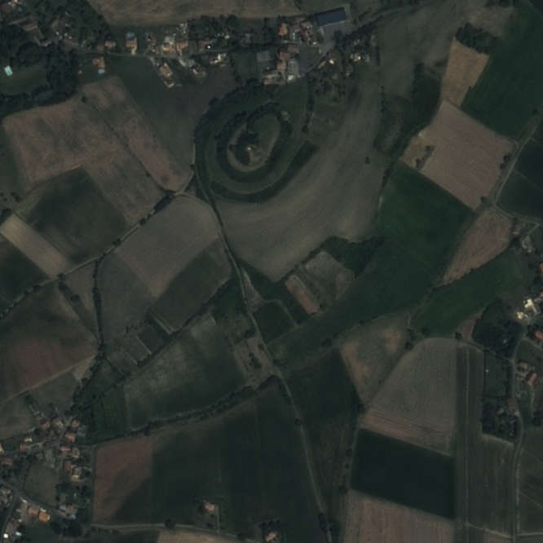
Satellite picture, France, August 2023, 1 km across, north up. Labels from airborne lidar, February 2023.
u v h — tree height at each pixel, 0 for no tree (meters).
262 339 0
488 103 0
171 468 0
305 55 0
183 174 0
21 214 0
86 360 0
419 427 0
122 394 0
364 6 0
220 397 0
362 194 0
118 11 0
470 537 0
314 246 0
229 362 0
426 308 0
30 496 0
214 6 0
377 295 0
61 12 10
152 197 0
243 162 9
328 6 0
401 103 0
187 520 0
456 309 0
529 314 0
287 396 10
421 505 0
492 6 0
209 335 0
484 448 0
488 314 11
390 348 0
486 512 0
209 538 0
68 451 0
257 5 0
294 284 0
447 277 0
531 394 0
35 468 0
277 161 15
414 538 0
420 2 14
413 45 0
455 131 0
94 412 10
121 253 0
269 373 0
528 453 0
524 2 0
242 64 0
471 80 0
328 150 0
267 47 10
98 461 0
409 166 0
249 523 0
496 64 0
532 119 0
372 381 0
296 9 0
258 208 0
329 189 0
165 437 0
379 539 0
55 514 0
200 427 0
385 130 0
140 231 0
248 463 0
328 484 0
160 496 0
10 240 0
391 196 0
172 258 0
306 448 0
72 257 0
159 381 0
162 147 0
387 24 0
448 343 0
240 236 0
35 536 0
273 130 0
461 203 0
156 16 0
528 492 0
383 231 0
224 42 15
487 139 0
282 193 0
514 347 13
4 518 12
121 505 0
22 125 0
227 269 0
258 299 0
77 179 0
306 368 0
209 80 0
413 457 0
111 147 0
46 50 13
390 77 0
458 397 0
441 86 0
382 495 0
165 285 0
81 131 0
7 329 0
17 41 22
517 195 0
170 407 0
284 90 0
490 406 7
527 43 0
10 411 0
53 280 0
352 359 0
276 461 0
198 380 0
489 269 0
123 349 0
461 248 0
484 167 0
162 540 0
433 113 0
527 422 0
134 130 0
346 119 0
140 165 0
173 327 0
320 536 0
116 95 0
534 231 0
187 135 0
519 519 0
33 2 0
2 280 0
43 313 0
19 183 0
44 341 0
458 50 0
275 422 0
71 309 0
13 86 0
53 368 0
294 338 0
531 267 8
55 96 14
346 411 0
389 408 0
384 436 0
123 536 0
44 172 0
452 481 0
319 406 0
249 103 0
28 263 0
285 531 0
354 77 10
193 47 0
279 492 0
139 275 0
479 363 0
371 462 0
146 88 0
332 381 0
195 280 0
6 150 0
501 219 0
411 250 0
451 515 0
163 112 0
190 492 0
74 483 0
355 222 0
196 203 0
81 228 0
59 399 0
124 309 0
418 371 0
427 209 0
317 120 0
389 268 0
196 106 0
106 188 0
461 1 0
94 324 0
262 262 0
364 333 0
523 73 0
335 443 0
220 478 0
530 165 0
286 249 0
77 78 15
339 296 0
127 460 0
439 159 0
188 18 0
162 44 0
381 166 0
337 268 0
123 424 0
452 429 0
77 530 14
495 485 0
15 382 0
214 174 0
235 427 0
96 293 8
